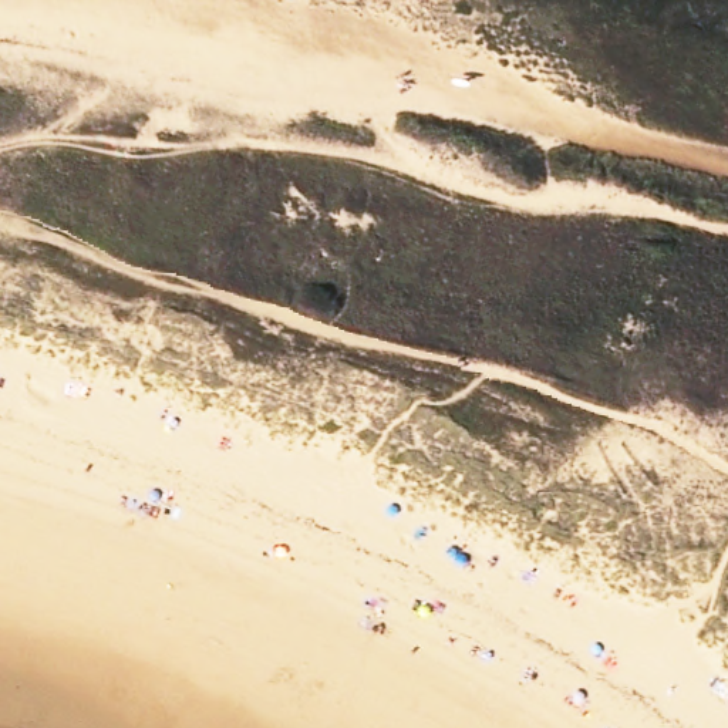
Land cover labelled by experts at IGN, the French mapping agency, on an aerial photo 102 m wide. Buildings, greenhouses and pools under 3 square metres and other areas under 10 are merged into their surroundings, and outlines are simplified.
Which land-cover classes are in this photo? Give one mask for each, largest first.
<instances>
[{"label":"bare soil","instance_id":"1","mask_svg":"<svg viewBox=\"0 0 728 728\"><path fill-rule=\"evenodd\" d=\"M0 57L48 60L74 71L119 80L145 97L179 94L196 100L199 105L287 122L321 114L336 122L373 128L375 134L381 125L395 122L401 111H415L441 119L486 125L506 134H520L543 151L560 148L566 142H580L600 151L660 156L668 162L728 176V145L640 125L637 105H623L617 91L594 82H580L566 57L535 54L526 46L520 23H503L492 0H0ZM26 100L37 108L57 105V111L63 114L77 102L74 94H54L46 88L23 91ZM148 122V114L131 111L119 117H85L77 125V134L137 137V131ZM40 156L54 171H63V159L54 154V148H26L20 156L0 154V208L14 210L28 196L34 162ZM338 228L367 230L373 225L370 213L338 210ZM43 242L6 239L0 233V728H728V475L702 461L700 455L688 452L685 446H680L677 441H668V435L671 429L683 435H700L705 427L728 429V412L697 415L677 401H657L648 410H623L614 421H609L606 427L592 429L586 438H577L572 444H552L532 438L526 432H509L492 446L483 438L469 435L455 421L435 415L432 407L427 392L401 387L398 381L378 378L367 370L344 367L336 361V355H327L324 361H319V355L276 358L267 367L239 361L233 358L222 333L208 321L191 319L185 313H168L151 299H119L111 293L85 290L71 279L54 273L51 267L40 264L37 247ZM262 330L279 336L282 341H293L301 333L276 319H259Z\"/></svg>","mask_w":728,"mask_h":728},{"label":"herbaceous vegetation","instance_id":"2","mask_svg":"<svg viewBox=\"0 0 728 728\"><path fill-rule=\"evenodd\" d=\"M503 23H520L526 46L535 54L566 57L580 82H594L617 91L623 105H637L640 125L728 145V0H492ZM63 114L57 111V105L37 108L26 100L23 91L0 85V137L43 128L60 119ZM398 131L412 139L446 142L461 148L464 154H481L486 171L520 188H537L546 179H597L623 185L631 193L651 196L657 202L697 213L702 219L728 222V176L668 162L660 156L600 151L580 142H566L560 148L543 151L520 134H506L486 125L441 119L415 111H401L395 122ZM284 128L290 137H321L361 148L375 145V134L373 128L336 122L321 114L287 122ZM54 154L63 159V171H54L40 156L34 162L28 196L14 210L48 228L65 230L128 264L159 273H182L213 287L282 304L299 313L307 304V284L313 279L333 282L338 290H344V304L324 321L358 336L515 367L537 378H546L572 395L623 410H648L657 401H677L697 415L728 412V236L637 216L518 213L492 205L489 199L421 182L410 173L387 171L370 162L313 154L236 148L199 151L171 159H117L77 148H54ZM338 210L370 213L373 225L367 230L338 228ZM40 264L51 267L54 273L71 279L85 290L111 293L119 299H151L168 313H185L191 319L208 321L222 333L233 358L239 361L267 367L276 358L319 355V361H324L327 355H336V361L344 367L367 370L378 378L398 381L401 387L427 392L429 398H444L461 390L475 373L435 361L387 355L375 350H355L347 344L321 341L310 333H301L293 341H282L279 336L262 330L259 319L236 307L219 304L213 299L168 293L134 282L128 276L111 273L88 259H80L63 247L43 242L37 247ZM435 415L455 421L469 435L483 438L492 446L509 432H526L532 438L552 444H572L577 438H586L592 429L606 427L609 421L603 415L560 404L535 390L495 378H486L478 392L452 407H432Z\"/></svg>","mask_w":728,"mask_h":728},{"label":"pervious surface","instance_id":"3","mask_svg":"<svg viewBox=\"0 0 728 728\"><path fill-rule=\"evenodd\" d=\"M0 85L23 91L46 88L54 94H74L77 102L63 114L60 119L43 128L0 137V154L20 156L26 148H77L117 159H171L199 151L236 148L313 154L370 162L387 171L410 173L421 182L489 199L492 205L518 213L637 216L728 236V222L702 219L697 213L657 202L651 196L631 193L623 185L597 179H546L537 188H520L486 171L481 154H464L461 148L446 142L412 139L398 131L395 122L381 125L375 134V145L361 148L321 137H290L284 128L287 122L199 105L196 100L179 94L145 97L119 80L74 71L48 60L0 57ZM131 111L148 114V122L137 131V137L77 134V125L85 117H119ZM0 233L6 239L43 242L63 247L80 259H88L111 273L128 276L134 282L168 293L213 299L219 304L236 307L259 319H276L301 333H310L321 341L347 344L355 350H375L387 355L435 361L475 373L461 390L444 398H429L432 407H452L478 392L486 378H495L535 390L560 404L603 415L609 421H614L623 410L572 395L546 378H537L515 367L358 336L324 321L299 313L282 304L213 287L182 273H159L128 264L65 230L48 228L14 210L0 208ZM668 441H677L680 446H685L688 452L700 455L702 461L728 475V429L705 427L700 435H683L671 429L668 435Z\"/></svg>","mask_w":728,"mask_h":728},{"label":"brushwood","instance_id":"4","mask_svg":"<svg viewBox=\"0 0 728 728\"><path fill-rule=\"evenodd\" d=\"M344 304V290H338L333 282L313 279L307 284V304L299 313L324 321Z\"/></svg>","mask_w":728,"mask_h":728}]
</instances>
